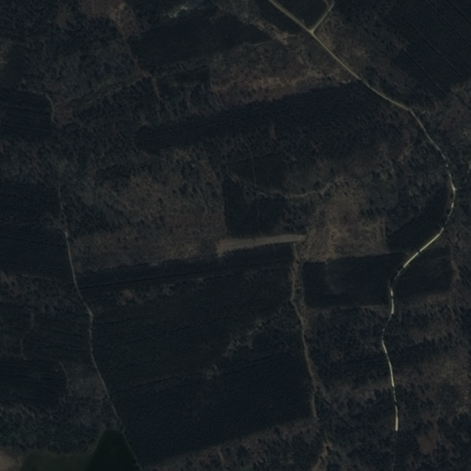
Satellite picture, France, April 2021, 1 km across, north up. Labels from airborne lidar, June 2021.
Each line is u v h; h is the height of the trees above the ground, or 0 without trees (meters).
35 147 23
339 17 8
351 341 18
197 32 8
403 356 14
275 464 19
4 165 15
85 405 9
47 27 12
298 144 15
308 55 0
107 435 0
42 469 0
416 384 13
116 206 7
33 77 11
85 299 8
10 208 16
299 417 11
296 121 15
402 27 12
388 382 7
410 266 7
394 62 9
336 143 14
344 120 10
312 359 6
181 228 8
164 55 6
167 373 11
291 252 12
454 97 11
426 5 12
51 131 9
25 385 8
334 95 13
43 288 11
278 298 14
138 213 11
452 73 11
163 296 7
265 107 17
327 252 0
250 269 11
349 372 18
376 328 9
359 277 9
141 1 14
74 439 14
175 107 23
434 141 17
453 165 15
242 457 18
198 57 6
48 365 8
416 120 16
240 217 12
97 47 7
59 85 8
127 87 7
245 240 0
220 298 14
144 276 10
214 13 8
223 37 7
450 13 13
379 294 9
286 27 6
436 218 15
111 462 0
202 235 10
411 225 12
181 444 13
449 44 12
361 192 0
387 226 8
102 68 17
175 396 13
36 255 10
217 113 20
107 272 9
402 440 14
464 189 17
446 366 0
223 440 11
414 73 12
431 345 17
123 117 26
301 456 16
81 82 14
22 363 7
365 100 15
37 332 8
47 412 12
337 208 0
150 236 9
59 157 10
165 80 8
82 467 0
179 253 0
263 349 12
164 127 9
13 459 0
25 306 13
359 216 0
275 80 0
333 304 9
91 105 6
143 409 15
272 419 11
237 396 11
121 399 12
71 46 21
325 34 0
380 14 15
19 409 14
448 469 16
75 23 7
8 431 16
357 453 15
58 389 8
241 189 13
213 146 16
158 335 13
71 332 8
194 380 12
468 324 13
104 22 14
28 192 14
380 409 15
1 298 15
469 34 13
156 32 9
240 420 13
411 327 18
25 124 10
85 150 12
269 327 15
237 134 18
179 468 10
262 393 12
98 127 25
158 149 14
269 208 14
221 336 13
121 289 11
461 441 12
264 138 16
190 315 14
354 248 0
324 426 18
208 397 10
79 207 7
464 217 16
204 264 9
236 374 13
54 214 12
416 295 9
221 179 18
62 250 11
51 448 14
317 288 9
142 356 12
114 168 11
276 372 14
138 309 13
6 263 13
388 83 16
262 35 6
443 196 14
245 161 14
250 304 12
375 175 12
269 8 6
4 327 13
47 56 10
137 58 7
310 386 9
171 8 11
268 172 13
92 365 9
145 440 13
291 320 17
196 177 6
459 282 7
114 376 12
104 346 12
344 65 0
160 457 13
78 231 9
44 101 8
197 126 11
